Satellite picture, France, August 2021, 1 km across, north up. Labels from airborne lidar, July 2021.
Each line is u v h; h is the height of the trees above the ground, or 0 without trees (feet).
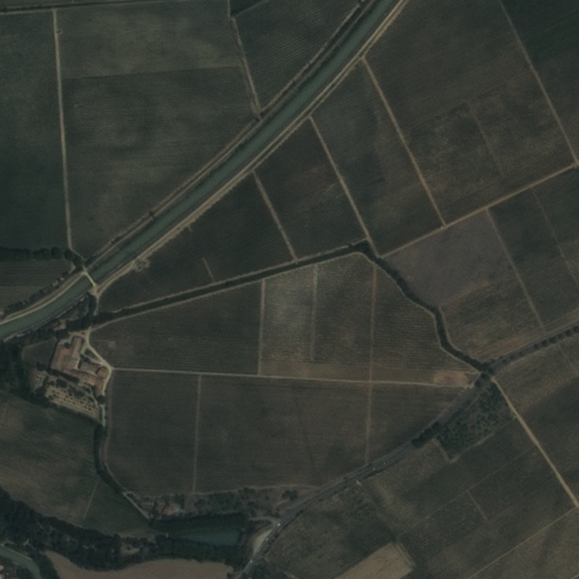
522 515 0
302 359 0
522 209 0
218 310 0
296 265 0
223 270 0
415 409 0
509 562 0
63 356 0
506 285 0
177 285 0
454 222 0
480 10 0
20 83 0
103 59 0
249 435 0
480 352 0
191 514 30
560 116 0
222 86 0
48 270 0
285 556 0
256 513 28
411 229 0
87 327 30
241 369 0
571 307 0
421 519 0
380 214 0
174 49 0
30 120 0
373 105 0
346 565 0
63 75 0
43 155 0
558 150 0
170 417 0
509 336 0
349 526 0
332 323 0
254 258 0
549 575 0
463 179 0
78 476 0
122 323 0
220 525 76
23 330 0
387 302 0
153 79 0
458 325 0
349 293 0
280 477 0
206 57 0
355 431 0
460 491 0
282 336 0
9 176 0
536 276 0
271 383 0
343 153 0
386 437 0
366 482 0
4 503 55
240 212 0
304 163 0
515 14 0
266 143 0
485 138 0
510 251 0
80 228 0
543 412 0
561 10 0
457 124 0
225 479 0
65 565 0
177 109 0
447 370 0
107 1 0
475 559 0
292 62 0
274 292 0
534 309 0
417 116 0
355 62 0
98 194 0
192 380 0
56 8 0
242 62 0
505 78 0
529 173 0
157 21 0
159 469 0
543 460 0
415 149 0
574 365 0
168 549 98
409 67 0
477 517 0
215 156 0
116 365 0
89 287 0
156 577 0
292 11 0
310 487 0
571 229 0
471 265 0
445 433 17
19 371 27
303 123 0
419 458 0
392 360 0
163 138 0
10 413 0
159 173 0
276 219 0
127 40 0
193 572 0
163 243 0
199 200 0
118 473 0
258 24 0
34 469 0
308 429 0
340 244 0
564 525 0
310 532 0
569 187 0
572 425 0
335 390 0
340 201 0
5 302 0
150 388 0
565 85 0
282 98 0
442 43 0
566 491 0
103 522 0
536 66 0
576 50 0
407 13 0
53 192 0
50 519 37
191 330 0
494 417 21
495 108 0
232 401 0
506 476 0
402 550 0
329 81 0
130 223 0
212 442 0
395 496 0
